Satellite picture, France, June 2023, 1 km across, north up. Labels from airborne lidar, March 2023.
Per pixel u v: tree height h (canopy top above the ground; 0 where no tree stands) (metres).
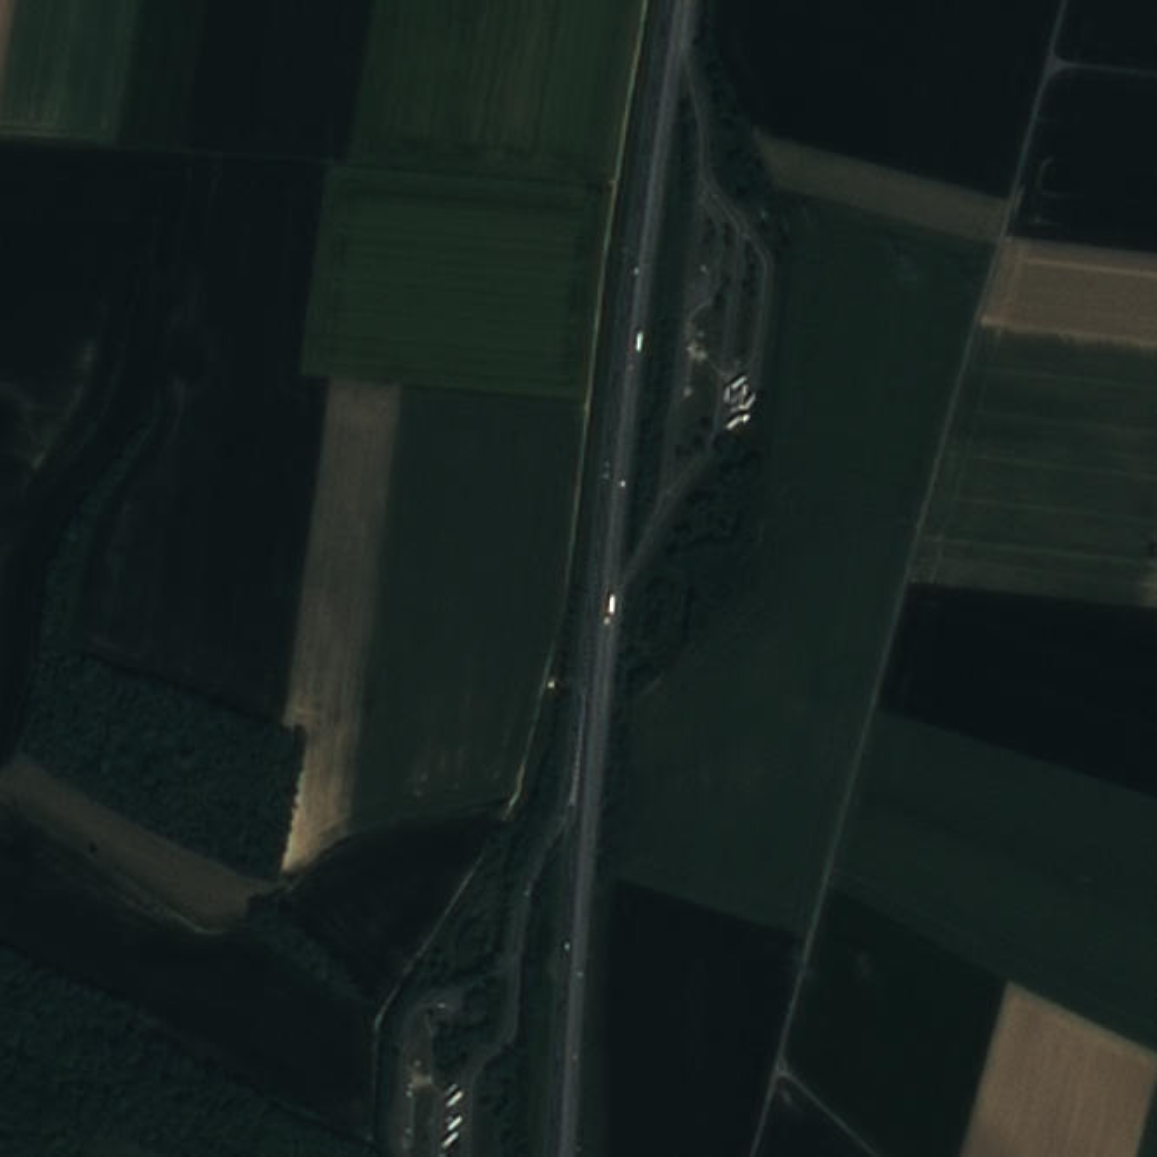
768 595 0
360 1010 0
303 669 0
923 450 0
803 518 0
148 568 0
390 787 0
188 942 0
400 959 0
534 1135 0
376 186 0
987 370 0
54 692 15
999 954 0
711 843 0
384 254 0
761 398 10
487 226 0
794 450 0
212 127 0
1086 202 0
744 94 0
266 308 0
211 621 0
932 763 0
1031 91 0
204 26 0
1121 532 0
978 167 0
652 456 6
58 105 0
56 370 0
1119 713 0
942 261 0
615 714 7
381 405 0
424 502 0
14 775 0
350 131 0
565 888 0
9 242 0
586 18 0
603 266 0
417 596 0
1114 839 0
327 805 0
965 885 0
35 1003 17
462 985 9
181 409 0
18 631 0
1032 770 0
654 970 0
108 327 0
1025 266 0
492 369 0
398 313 0
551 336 0
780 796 0
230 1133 19
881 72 0
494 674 0
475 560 0
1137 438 0
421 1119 0
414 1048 0
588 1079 0
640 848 0
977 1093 0
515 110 0
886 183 0
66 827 0
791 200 0
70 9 0
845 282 0
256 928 16
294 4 0
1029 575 0
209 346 0
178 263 0
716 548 11
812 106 0
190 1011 0
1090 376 0
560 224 0
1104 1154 0
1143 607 0
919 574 0
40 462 0
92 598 0
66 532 12
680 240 0
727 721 0
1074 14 0
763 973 0
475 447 0
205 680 0
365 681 0
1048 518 0
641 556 0
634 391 0
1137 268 0
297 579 0
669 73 0
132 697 19
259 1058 0
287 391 0
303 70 0
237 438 0
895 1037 0
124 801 16
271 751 17
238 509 0
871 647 0
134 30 0
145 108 0
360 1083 0
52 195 0
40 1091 24
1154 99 0
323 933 0
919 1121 0
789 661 0
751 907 0
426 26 0
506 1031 0
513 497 0
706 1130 0
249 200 0
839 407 0
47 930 0
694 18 0
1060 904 0
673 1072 0
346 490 0
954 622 0
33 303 0
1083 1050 0
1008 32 0
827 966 0
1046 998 0
